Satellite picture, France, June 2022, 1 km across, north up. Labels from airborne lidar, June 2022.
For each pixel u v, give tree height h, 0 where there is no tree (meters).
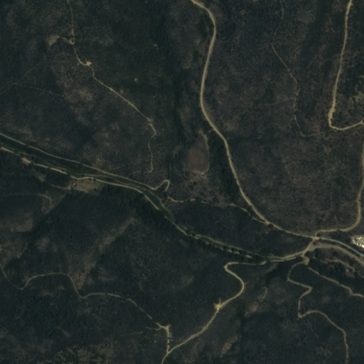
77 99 0
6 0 9
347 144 6
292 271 6
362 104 7
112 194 7
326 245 0
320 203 0
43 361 7
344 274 9
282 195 0
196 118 7
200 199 9
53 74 7
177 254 9
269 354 8
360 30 9
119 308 6
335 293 6
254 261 12
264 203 0
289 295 0
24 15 5
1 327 7
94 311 7
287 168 0
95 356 8
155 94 8
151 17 10
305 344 8
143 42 8
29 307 9
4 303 6
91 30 6
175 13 0
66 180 7
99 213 6
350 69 9
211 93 7
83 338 6
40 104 0
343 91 7
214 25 8
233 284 6
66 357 7
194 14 7
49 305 7
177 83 8
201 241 14
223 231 9
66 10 5
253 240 10
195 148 0
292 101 0
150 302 10
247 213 12
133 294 8
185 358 0
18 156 10
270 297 0
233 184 8
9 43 6
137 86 5
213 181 7
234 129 0
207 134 7
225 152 7
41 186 8
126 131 6
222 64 6
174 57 7
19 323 11
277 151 0
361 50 10
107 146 0
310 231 7
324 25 8
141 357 7
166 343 7
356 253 7
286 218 0
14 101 6
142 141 0
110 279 0
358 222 0
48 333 11
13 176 7
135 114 0
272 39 7
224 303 0
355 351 9
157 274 11
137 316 6
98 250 10
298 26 6
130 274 8
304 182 0
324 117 8
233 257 10
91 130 7
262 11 7
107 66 7
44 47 7
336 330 8
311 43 9
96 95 8
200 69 9
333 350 7
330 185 5
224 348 0
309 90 6
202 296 7
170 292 7
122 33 10
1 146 11
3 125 6
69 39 8
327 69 5
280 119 0
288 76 0
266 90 6
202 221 9
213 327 0
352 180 0
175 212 6
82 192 9
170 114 6
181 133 7
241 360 6
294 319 6
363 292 8
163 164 6
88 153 0
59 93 6
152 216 8
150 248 8
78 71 0
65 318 9
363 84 8
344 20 8
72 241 8
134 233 6
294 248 9
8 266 6
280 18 8
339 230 8
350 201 7
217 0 0
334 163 6
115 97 0
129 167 10
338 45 7
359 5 9
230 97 0
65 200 6
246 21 7
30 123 6
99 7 7
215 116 0
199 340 0
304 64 6
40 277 6
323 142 6
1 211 6
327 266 12
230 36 7
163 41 8
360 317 8
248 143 0
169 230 6
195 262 7
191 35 0
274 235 8
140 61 7
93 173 0
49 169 7
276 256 8
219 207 8
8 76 6
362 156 0
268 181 0
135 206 7
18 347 0
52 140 0
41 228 10
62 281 6
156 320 10
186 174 9
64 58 5
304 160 7
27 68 0
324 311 6
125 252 10
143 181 7
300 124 6
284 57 5
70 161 10
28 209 6
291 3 6
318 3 6
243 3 6
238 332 8
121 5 11
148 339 7
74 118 6
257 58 7
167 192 8
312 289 7
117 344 7
